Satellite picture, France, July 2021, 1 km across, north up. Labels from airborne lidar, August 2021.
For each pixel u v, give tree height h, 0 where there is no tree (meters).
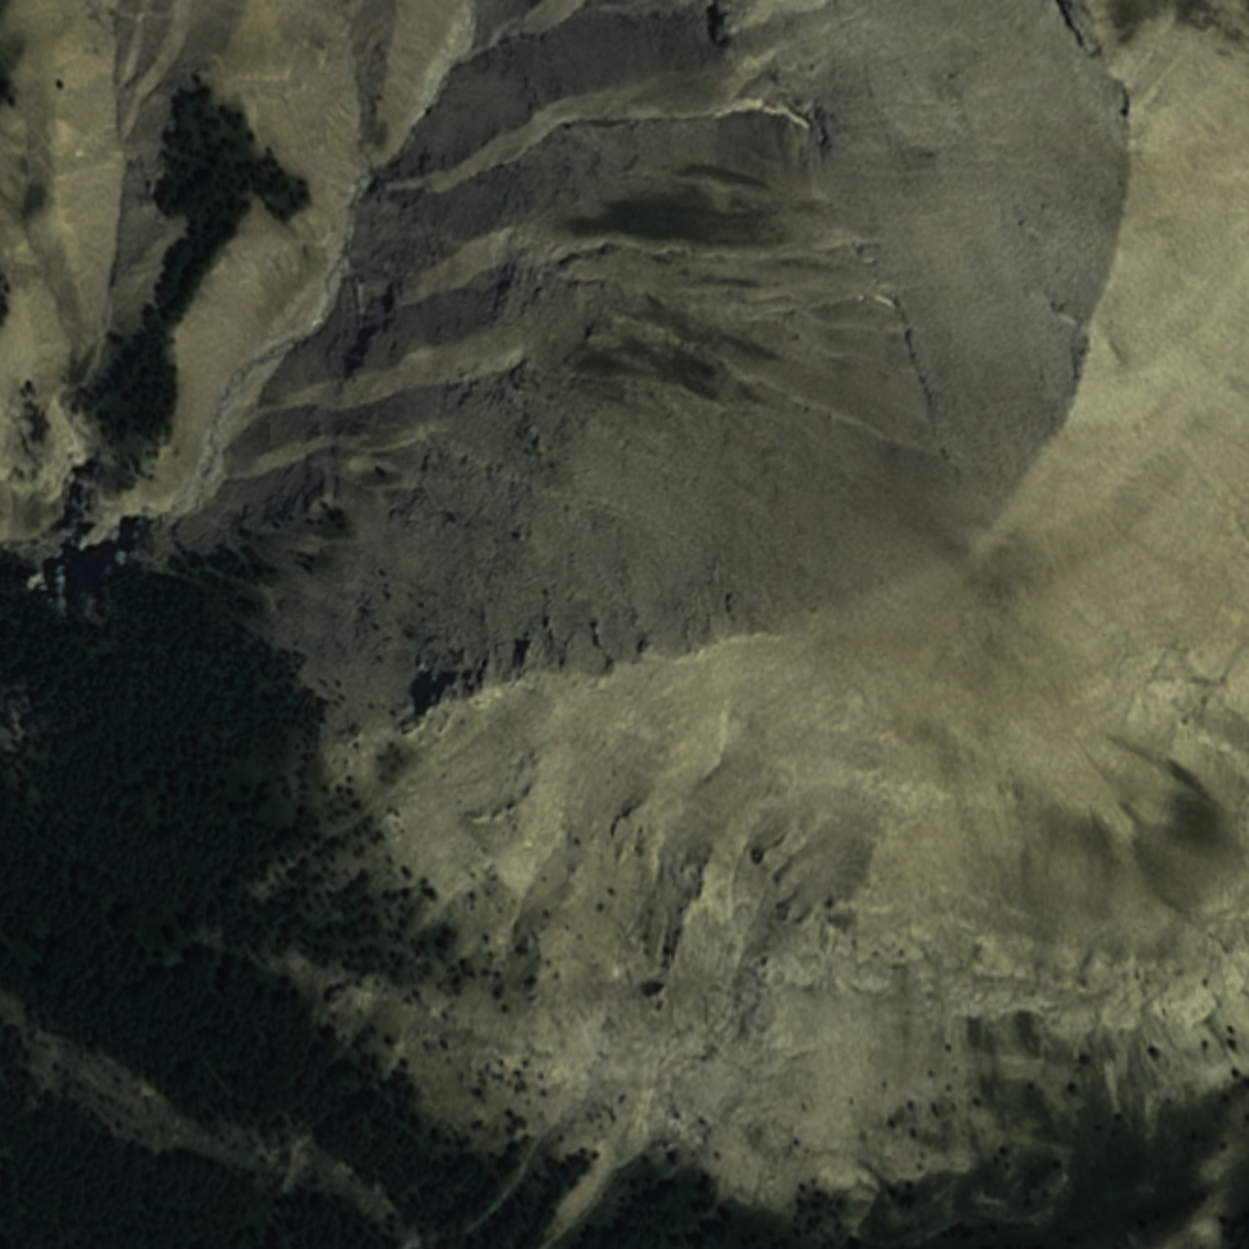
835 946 0
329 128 0
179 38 0
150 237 0
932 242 0
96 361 0
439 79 0
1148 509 0
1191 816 0
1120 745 0
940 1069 0
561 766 0
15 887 29
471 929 0
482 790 0
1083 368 0
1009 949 0
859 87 0
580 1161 11
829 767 0
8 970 22
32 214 0
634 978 0
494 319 0
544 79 0
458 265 0
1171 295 0
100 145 0
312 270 0
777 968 0
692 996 0
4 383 0
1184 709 0
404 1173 16
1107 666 0
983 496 0
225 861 20
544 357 0
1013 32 0
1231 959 0
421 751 0
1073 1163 0
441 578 0
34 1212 19
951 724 0
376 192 0
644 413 0
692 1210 9
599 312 0
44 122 0
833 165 0
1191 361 0
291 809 0
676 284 0
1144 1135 0
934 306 0
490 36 0
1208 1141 0
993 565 0
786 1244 13
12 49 0
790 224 0
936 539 0
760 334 0
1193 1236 0
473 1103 0
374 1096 20
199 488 0
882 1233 0
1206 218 0
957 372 0
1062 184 0
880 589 0
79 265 0
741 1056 0
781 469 0
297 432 0
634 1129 0
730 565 0
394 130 0
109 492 0
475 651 0
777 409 0
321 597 0
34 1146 26
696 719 0
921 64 0
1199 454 0
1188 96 0
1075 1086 8
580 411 0
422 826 0
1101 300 0
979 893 0
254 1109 22
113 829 18
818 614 0
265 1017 23
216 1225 31
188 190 15
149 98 0
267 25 0
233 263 0
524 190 0
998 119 0
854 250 0
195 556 7
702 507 0
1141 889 0
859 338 0
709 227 0
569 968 0
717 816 0
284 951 10
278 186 13
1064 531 0
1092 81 0
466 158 0
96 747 12
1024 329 0
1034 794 0
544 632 0
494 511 0
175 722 14
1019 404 0
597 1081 0
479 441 0
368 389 0
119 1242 21
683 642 0
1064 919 0
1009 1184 0
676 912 0
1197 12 0
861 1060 0
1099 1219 0
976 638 0
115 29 0
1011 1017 0
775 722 0
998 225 0
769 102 0
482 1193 17
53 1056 0
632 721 0
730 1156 0
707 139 0
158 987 24
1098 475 0
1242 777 0
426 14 0
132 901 21
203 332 0
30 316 0
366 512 0
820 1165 0
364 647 0
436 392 0
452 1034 0
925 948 0
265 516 0
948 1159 0
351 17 0
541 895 0
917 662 0
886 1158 0
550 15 0
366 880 11
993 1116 0
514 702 0
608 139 0
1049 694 0
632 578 0
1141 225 0
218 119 10
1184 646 0
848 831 0
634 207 0
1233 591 0
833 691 0
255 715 11
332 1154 14
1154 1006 0
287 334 0
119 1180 18
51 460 0
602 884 0
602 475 0
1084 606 0
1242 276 0
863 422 0
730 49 0
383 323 0
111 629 8
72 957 32
